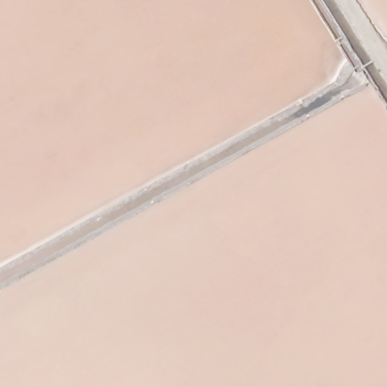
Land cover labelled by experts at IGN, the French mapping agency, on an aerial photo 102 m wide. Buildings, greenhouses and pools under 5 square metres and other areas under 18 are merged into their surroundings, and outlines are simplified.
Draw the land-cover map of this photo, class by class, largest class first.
<instances>
[{"label":"water","instance_id":"1","mask_svg":"<svg viewBox=\"0 0 387 387\"><path fill-rule=\"evenodd\" d=\"M333 33L320 18L311 0H0V262L32 243L50 236L65 225L88 215L92 210L115 200L122 193L135 189L156 175L168 171L172 166L230 138L246 125L259 121L275 110H280L292 101L304 97L311 89L330 79L342 57L339 56V50L333 42ZM361 63L367 62L370 57L361 47L360 41L334 0H324ZM376 27L382 23L387 26V0H361ZM366 77L372 80L373 85L366 91L358 92L348 100L331 106L328 103L331 98L345 89L352 88L354 77H348L345 82L334 86L307 106L299 107L286 118L257 128L251 135L234 142L209 159L195 163L189 169H184L169 180L163 181L159 186L151 187L133 200L121 204L109 213H104L100 221L91 219L73 233L65 234L44 248L24 255L0 271V387H387V85L372 62L366 67ZM298 118L302 121L284 135L265 142L245 156L231 160L197 183L172 193L162 203L147 207L144 212L121 222L101 236L89 242L86 240V234L104 227L125 213L138 209L160 193L178 186L187 178L233 156L252 142L260 141Z\"/></svg>","mask_w":387,"mask_h":387},{"label":"pervious surface","instance_id":"2","mask_svg":"<svg viewBox=\"0 0 387 387\"><path fill-rule=\"evenodd\" d=\"M320 18L333 33V42L339 50V56L342 57L330 79L311 89L304 97L292 101L280 110H275L259 121L246 125L230 138L172 166L168 171L156 175L135 189L122 193L115 200L92 210L88 215L65 225L50 236L32 243L0 262V271L24 255L44 248L65 234L73 233L91 219L100 221L104 213H109L121 204L133 200L151 187L159 186L163 181L169 180L184 169H189L195 163L209 159L234 142L251 135L257 128L286 118L299 107L307 106L334 86L345 82L348 77H354L352 88L345 89L331 98L328 103L331 106L348 100L358 92L366 91L373 85L372 80L366 77V67L372 62L387 85V26L382 23L376 27L361 0H334L360 41L361 47L370 57L367 62L361 63L324 0H311ZM302 121L298 118L260 141L252 142L233 156L187 178L178 186L160 193L138 209L125 213L104 227L86 234V240L89 242L101 236L121 222L144 212L147 207L162 203L172 193L197 183L231 160L245 156L265 142L284 135Z\"/></svg>","mask_w":387,"mask_h":387}]
</instances>
